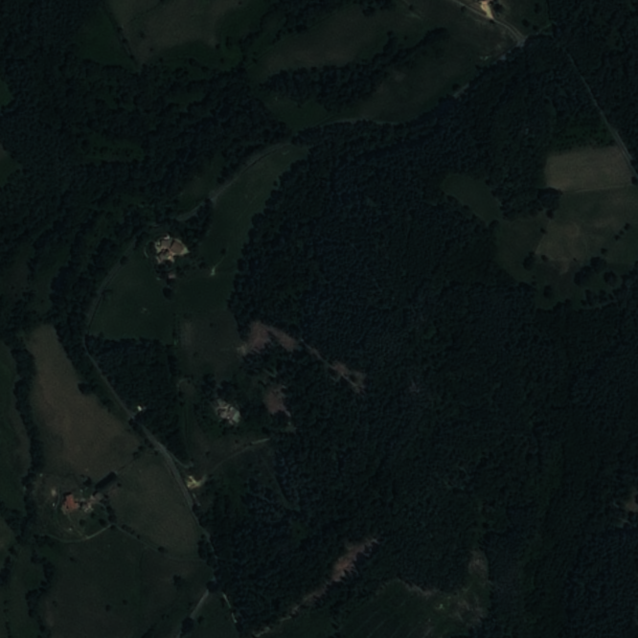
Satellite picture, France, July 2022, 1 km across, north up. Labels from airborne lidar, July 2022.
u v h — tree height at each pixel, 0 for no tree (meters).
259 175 0
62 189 24
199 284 0
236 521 10
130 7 0
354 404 11
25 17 11
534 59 24
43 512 0
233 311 10
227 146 22
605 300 23
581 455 14
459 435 27
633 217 0
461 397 22
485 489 23
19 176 14
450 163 33
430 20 0
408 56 16
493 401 26
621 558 32
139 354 22
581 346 10
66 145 22
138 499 0
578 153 0
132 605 0
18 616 0
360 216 23
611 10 20
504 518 8
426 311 20
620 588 34
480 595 0
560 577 14
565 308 19
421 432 20
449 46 0
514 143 16
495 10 8
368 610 0
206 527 20
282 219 19
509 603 25
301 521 17
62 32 17
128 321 0
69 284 22
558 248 0
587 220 0
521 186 10
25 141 29
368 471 26
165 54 0
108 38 0
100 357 23
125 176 24
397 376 15
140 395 19
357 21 0
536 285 14
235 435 11
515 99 27
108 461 0
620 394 34
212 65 0
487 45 0
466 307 22
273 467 0
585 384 27
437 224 18
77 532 0
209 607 0
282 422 24
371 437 26
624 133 8
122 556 0
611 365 25
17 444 0
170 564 0
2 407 0
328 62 0
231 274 0
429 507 13
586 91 22
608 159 0
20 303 10
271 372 22
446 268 14
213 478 7
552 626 6
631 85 17
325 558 25
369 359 13
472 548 18
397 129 16
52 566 19
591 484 16
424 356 11
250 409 16
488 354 22
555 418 21
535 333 9
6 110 14
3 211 15
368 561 28
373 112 0
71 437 0
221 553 22
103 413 0
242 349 0
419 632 0
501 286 20
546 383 35
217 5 0
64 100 22
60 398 0
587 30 15
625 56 8
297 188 17
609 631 38
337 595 16
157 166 20
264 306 16
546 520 10
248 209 0
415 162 32
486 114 17
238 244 0
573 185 0
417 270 10
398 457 24
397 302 7
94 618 0
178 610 0
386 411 28
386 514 23
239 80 23
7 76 17
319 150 19
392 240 10
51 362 0
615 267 0
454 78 0
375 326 21
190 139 21
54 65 18
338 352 24
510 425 26
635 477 33
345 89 21
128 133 18
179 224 20
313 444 25
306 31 19
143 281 0
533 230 0
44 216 17
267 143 10
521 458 26
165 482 0
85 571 0
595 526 25
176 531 0
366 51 0
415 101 0
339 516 13
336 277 15
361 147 18
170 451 12
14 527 17
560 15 10
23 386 20
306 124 0
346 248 19
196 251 9
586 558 25
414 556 18
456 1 0
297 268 18
